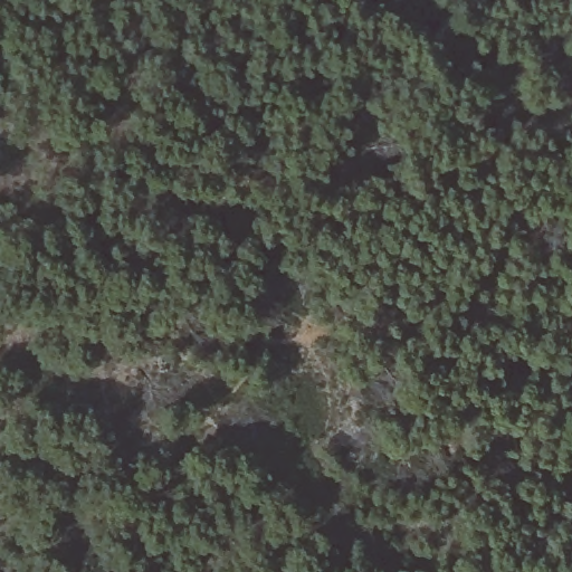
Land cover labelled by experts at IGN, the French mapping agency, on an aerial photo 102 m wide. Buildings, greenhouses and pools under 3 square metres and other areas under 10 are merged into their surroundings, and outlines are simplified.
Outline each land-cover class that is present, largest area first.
<instances>
[{"label":"coniferous trees","instance_id":"1","mask_svg":"<svg viewBox=\"0 0 572 572\"><path fill-rule=\"evenodd\" d=\"M0 572H572V0H0Z\"/></svg>","mask_w":572,"mask_h":572}]
</instances>
